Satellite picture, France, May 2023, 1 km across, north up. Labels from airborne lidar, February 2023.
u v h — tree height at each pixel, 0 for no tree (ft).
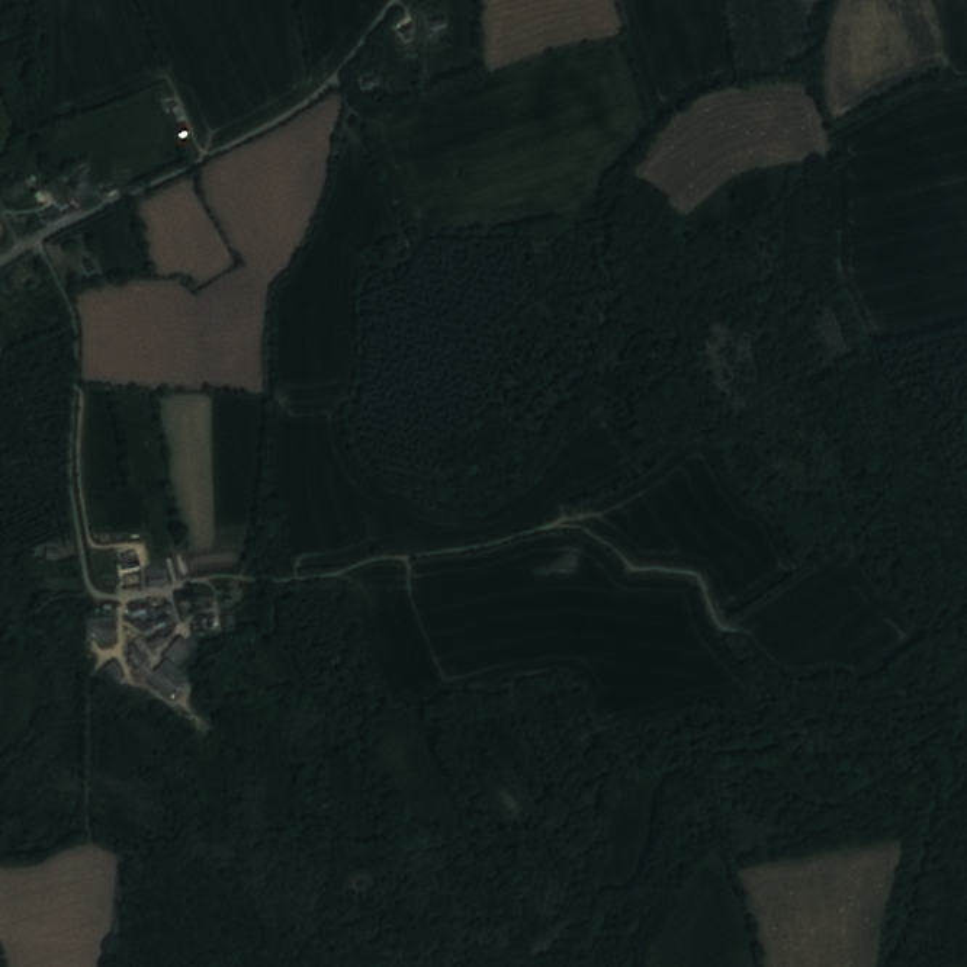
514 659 0
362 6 0
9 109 31
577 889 37
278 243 0
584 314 58
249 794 25
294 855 40
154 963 64
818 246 52
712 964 0
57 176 23
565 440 46
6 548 26
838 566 0
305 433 0
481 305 67
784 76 27
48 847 21
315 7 0
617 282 69
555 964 53
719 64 0
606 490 21
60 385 47
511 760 23
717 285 31
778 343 45
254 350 0
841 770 23
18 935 0
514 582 0
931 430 51
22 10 26
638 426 58
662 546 0
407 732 0
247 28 0
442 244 68
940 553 48
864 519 59
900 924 29
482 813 21
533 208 0
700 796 46
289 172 0
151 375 0
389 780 47
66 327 24
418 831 43
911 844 35
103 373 0
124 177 0
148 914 59
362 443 60
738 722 31
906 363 51
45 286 22
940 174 0
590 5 0
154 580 0
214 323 0
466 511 49
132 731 0
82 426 0
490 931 25
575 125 0
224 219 0
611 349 67
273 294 34
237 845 22
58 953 0
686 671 0
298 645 45
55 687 33
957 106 0
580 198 0
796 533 36
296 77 0
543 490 0
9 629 33
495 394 20
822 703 44
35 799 0
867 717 20
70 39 0
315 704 25
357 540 0
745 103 0
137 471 0
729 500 0
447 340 51
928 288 0
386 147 0
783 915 0
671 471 0
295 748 30
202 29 0
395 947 35
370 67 24
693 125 0
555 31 0
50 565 21
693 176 0
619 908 45
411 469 48
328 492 0
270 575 33
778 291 33
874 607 0
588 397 66
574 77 0
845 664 0
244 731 28
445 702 53
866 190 0
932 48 0
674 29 0
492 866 39
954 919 45
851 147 0
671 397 61
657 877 61
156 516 0
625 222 69
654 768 27
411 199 0
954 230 0
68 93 0
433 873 19
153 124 0
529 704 27
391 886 36
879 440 44
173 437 0
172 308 0
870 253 0
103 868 0
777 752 57
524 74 0
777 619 0
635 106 0
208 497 0
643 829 0
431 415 55
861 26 0
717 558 0
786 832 38
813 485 22
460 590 0
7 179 38
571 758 56
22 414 50
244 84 0
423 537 0
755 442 51
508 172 0
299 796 47
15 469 44
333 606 31
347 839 32
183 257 0
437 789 0
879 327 0
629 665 0
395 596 0
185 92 0
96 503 0
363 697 46
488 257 61
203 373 0
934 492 49
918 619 59
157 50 33
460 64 0
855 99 0
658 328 75
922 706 18
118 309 0
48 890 0
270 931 43
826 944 0
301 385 0
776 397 34
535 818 18
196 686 47
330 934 49
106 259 0
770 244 22
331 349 0
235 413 0
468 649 0
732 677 0
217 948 59
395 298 64
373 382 68
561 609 0
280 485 0
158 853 57
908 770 29
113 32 0
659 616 0
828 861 0
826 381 61
